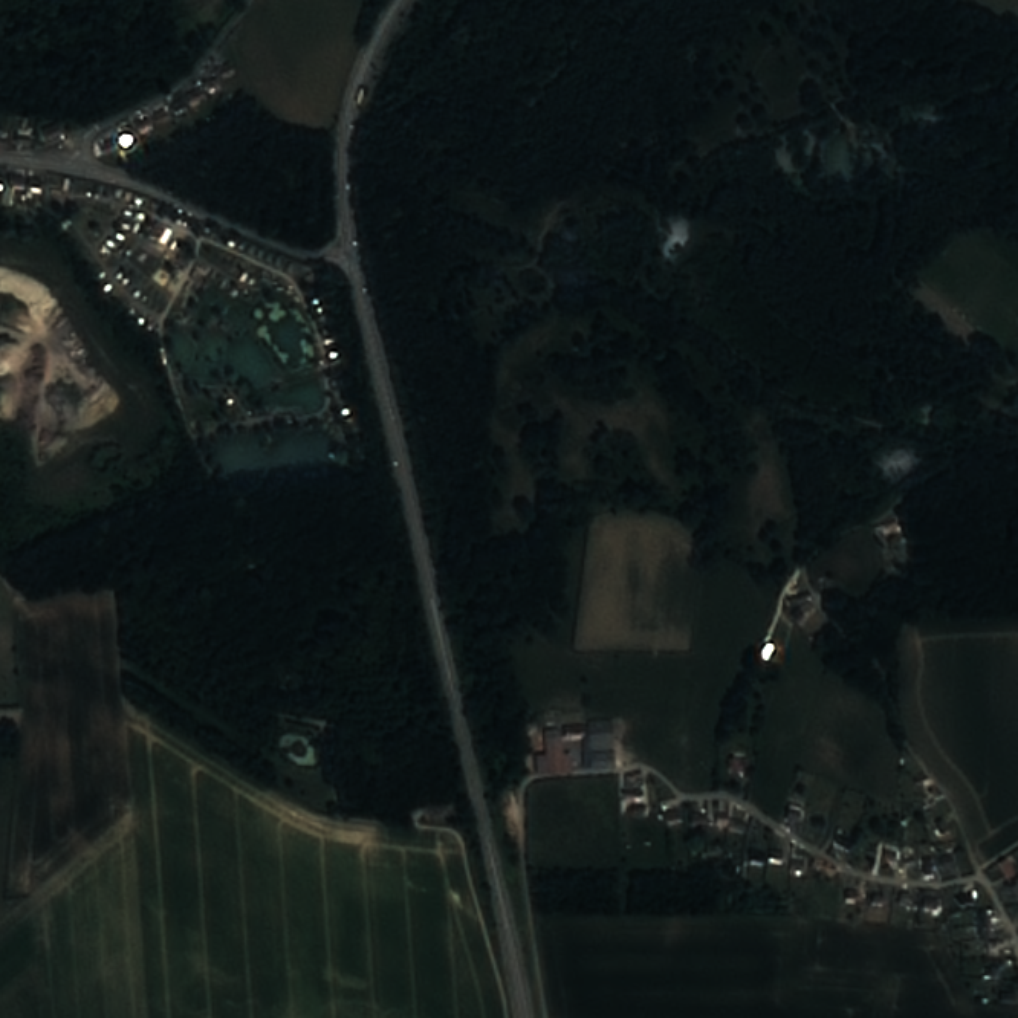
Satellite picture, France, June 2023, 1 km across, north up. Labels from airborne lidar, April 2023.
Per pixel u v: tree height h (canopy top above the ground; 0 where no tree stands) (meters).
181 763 0
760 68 0
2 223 11
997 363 20
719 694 0
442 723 8
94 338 0
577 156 12
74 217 14
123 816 0
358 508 22
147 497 12
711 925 0
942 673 0
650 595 0
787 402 10
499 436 0
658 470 0
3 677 0
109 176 0
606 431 16
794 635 0
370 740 12
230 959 0
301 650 23
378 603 18
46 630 0
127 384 0
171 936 0
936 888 0
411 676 12
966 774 0
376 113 14
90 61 22
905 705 0
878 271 23
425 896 0
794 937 0
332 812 9
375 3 13
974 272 0
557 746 0
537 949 0
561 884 14
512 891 0
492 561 22
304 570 24
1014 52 15
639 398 0
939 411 7
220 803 0
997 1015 0
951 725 0
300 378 0
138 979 0
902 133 14
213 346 0
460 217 10
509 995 0
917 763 0
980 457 18
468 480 19
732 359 9
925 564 19
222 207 17
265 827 0
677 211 11
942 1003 0
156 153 15
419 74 15
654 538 0
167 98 0
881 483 10
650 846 0
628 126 14
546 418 0
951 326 0
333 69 0
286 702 17
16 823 0
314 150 17
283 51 0
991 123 16
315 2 0
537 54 13
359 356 12
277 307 0
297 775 0
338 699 10
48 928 0
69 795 0
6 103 18
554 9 12
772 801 0
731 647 0
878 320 18
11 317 0
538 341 0
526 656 0
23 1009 0
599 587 0
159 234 0
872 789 0
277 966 0
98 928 0
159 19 23
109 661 0
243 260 0
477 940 0
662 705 0
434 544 5
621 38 6
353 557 27
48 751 0
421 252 19
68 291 0
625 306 13
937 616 8
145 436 0
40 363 0
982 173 24
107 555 18
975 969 0
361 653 15
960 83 15
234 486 17
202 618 22
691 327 14
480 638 25
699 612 0
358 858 0
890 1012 0
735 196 18
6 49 22
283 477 15
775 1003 0
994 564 22
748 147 12
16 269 0
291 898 0
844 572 0
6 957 0
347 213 0
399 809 15
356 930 0
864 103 12
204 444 13
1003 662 0
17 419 0
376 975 0
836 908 0
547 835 0
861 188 19
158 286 0
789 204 21
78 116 16
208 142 18
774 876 0
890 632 19
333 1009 0
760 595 0
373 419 10
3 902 0
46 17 29
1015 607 17
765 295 17
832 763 0
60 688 0
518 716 27
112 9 29
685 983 0
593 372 6
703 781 0
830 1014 0
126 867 0
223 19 0
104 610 0
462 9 18
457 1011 0
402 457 0
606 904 13
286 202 20
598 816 0
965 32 19
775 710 0
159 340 10
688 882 11
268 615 23
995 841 0
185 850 0
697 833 13
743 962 0
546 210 0
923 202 25
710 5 16
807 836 0
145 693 19
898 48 20
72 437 0
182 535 23
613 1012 0
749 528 0
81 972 0
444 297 15
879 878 0
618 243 13
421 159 17
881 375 13
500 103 25
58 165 0
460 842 0
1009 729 0
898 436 15
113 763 0
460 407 17
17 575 16
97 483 0
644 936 0
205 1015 0
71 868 0
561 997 0
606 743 0
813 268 23
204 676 17
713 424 7
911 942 0
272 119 14
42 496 0
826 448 15
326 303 11
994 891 0
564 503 15
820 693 0
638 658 0
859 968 0
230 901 0
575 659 0
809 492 14
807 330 17
